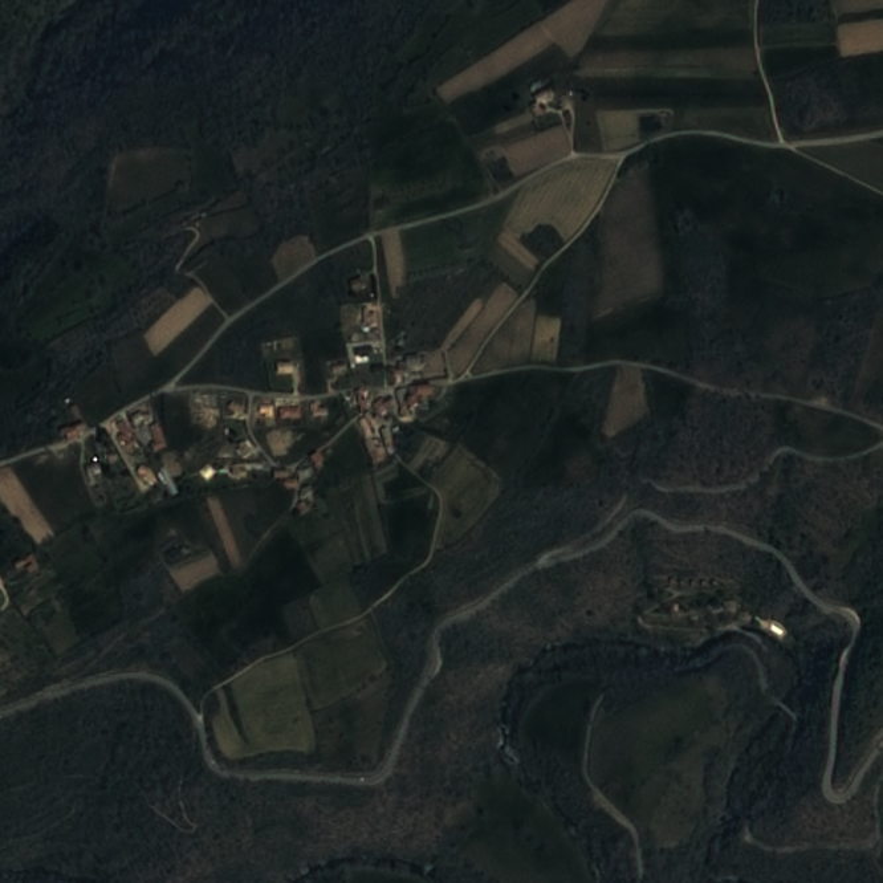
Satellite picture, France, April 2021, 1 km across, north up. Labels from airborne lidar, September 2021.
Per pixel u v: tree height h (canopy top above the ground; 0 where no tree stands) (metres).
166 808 9
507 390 0
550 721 0
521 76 0
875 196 0
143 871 11
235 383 0
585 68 0
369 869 30
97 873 14
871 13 0
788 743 11
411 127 0
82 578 6
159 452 6
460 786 17
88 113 11
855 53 0
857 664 8
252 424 0
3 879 20
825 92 8
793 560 0
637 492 13
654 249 0
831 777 0
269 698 0
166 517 0
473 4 11
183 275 7
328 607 0
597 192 0
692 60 0
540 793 27
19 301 8
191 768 7
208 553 0
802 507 7
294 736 0
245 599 0
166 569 7
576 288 0
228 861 10
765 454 6
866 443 0
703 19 0
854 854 12
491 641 12
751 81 0
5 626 6
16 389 0
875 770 8
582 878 0
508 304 0
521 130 0
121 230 0
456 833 12
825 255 0
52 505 0
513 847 0
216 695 9
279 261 0
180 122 12
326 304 0
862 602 8
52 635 0
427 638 9
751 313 0
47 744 11
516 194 0
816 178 0
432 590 6
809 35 0
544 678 6
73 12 23
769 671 15
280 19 16
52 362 7
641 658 14
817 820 7
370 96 12
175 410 0
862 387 0
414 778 8
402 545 0
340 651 0
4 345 0
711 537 14
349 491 0
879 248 0
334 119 7
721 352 8
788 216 0
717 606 13
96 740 14
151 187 0
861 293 6
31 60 6
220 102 8
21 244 16
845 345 6
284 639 0
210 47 13
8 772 10
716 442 10
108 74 15
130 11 14
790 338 0
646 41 0
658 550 6
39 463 0
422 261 0
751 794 6
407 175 0
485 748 7
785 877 11
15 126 18
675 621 31
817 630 16
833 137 0
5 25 7
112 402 0
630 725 0
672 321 0
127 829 9
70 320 0
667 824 0
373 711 0
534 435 0
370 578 9
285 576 0
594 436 0
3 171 13
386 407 0
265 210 8
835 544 8
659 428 8
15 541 0
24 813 12
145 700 12
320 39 12
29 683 10
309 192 7
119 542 0
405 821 6
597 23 0
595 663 13
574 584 8
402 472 0
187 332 0
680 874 13
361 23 15
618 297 0
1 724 11
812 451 0
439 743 8
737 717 10
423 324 0
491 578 7
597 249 0
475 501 0
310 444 0
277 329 0
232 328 0
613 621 10
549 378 0
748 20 0
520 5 0
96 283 11
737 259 0
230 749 0
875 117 0
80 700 12
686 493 7
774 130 0
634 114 0
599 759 0
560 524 6
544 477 0
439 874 10
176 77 10
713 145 0
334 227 0
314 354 0
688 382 7
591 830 7
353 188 7
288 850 7
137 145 15
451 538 0
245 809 8
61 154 6
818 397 0
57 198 7
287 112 0
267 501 0
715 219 0
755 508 8
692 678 11
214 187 0
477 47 0
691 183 0
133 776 16
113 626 7
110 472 19
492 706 13
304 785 9
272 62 10
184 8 8
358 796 7
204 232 0
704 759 0
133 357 0
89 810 17
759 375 0
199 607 0
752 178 0
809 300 0
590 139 0
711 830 15
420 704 6
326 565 0
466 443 0
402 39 11
